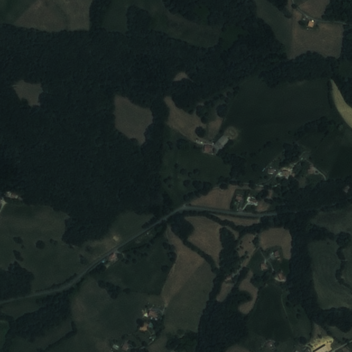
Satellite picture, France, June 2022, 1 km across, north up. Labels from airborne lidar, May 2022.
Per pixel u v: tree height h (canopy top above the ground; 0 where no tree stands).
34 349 0
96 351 0
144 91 24
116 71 26
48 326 15
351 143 0
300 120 0
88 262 20
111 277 0
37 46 20
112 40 26
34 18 0
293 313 0
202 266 0
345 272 0
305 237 23
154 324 21
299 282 25
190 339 9
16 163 25
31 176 28
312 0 0
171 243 0
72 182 24
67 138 23
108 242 0
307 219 25
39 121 24
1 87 19
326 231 22
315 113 0
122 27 0
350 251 0
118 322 0
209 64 33
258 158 0
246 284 0
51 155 29
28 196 21
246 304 0
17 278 26
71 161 23
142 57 10
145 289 0
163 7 0
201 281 0
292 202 22
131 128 0
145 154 25
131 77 30
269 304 0
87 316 0
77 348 0
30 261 0
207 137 0
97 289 0
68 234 23
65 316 14
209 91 25
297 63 17
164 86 21
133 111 0
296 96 0
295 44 0
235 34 0
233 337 27
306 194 20
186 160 0
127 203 24
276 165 0
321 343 0
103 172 30
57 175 19
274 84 21
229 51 18
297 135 14
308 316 10
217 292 17
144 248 6
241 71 18
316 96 0
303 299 28
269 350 0
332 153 0
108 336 0
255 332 0
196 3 25
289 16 17
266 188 11
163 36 20
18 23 0
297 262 25
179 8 29
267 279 13
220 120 0
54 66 22
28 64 23
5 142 31
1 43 23
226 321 14
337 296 0
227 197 0
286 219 18
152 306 0
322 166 0
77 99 22
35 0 0
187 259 0
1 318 18
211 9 22
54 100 21
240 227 9
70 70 25
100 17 23
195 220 0
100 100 22
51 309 19
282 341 0
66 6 0
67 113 26
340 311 19
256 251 0
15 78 21
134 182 26
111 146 21
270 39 14
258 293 7
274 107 0
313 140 0
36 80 22
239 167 21
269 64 10
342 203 17
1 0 0
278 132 0
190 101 29
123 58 24
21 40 20
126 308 0
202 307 0
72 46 25
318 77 15
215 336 24
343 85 18
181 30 0
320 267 0
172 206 8
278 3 22
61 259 0
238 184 14
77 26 0
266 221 17
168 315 0
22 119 26
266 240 0
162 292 0
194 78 20
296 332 0
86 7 0
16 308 0
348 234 9
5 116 27
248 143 0
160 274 0
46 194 21
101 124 28
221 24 15
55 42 21
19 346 0
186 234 15
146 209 23
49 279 0
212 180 0
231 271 11
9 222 0
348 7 25
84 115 25
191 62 24
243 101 0
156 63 22
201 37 0
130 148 21
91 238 19
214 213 6
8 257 0
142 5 0
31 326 21
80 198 22
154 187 11
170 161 0
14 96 22
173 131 0
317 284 0
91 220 24
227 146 15
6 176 19
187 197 19
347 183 17
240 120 0
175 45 25
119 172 28
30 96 0
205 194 18
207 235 0
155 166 19
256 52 22
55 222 0
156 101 24
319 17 0
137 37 27
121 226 0
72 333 13
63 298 12
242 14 28
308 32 0
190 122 0
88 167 29
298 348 0
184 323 0
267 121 0
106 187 25
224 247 10
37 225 0
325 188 23
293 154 20
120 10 0
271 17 0
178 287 0
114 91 21
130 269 0
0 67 29
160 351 0
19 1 0
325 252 0
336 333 0
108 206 20
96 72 28
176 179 0
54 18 0
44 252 0
